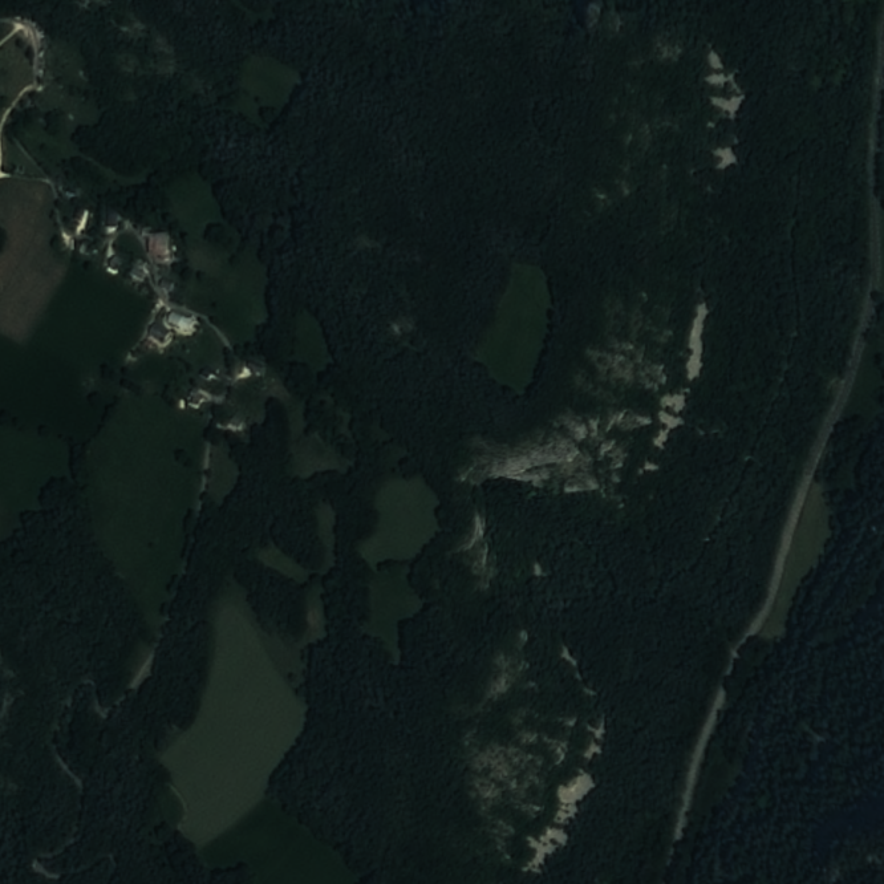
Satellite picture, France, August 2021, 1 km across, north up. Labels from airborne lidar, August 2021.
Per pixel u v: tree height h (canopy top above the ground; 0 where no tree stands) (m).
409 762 16
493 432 10
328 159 12
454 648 15
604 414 9
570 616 25
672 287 15
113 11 7
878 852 10
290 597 25
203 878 23
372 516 24
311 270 29
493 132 23
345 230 7
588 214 8
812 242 10
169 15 15
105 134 18
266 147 26
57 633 19
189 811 0
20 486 0
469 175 20
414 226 20
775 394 15
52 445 0
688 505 19
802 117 14
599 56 19
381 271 13
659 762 26
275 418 16
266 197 23
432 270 17
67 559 15
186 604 18
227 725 0
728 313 21
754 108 25
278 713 0
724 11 20
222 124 28
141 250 0
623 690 25
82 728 24
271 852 0
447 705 11
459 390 13
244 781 0
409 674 27
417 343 12
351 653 27
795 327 21
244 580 14
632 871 21
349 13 10
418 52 24
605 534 20
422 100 21
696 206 16
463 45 16
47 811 20
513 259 17
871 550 25
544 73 22
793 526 0
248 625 0
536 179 26
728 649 15
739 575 22
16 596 20
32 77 0
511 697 7
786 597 0
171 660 17
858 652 24
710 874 24
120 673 11
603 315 13
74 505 14
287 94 0
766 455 21
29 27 0
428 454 20
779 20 23
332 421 13
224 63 24
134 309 0
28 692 10
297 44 22
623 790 29
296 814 19
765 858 30
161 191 23
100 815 22
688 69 17
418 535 0
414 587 11
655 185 15
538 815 9
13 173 10
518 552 25
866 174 21
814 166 22
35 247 0
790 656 25
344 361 27
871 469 20
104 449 0
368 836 27
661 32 9
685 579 27
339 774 21
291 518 12
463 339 20
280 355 22
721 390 18
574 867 26
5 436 0
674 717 22
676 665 16
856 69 8
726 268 19
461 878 18
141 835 23
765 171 12
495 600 23
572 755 23
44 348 0
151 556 0
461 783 9
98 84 11
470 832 12
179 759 0
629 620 28
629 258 25
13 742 7
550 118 22
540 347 0
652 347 7
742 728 19
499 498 23
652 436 11
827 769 25
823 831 23
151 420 0
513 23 22
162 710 11
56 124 14
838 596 22
